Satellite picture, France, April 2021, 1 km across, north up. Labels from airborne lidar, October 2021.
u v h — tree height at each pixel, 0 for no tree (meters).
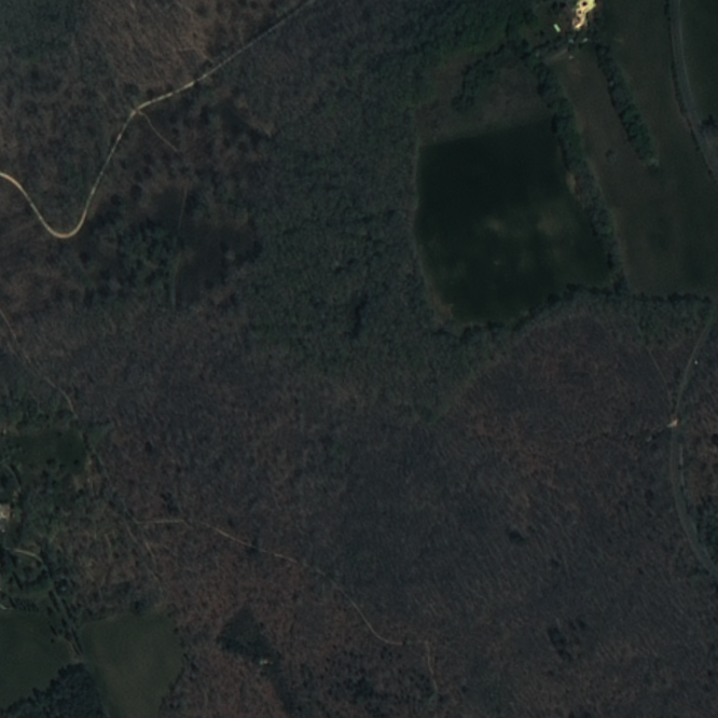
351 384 22
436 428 15
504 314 0
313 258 23
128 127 21
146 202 25
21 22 27
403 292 24
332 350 24
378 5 18
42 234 21
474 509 16
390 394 23
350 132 23
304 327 22
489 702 13
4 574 7
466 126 0
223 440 8
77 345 19
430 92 23
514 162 0
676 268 0
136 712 0
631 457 8
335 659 9
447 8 15
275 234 28
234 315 24
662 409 11
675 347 20
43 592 15
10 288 24
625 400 7
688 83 0
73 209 29
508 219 0
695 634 14
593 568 16
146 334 15
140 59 22
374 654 9
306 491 18
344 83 14
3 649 0
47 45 25
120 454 9
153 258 21
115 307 28
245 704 15
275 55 19
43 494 10
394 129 21
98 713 15
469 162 0
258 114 22
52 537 20
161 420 9
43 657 0
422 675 6
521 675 9
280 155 27
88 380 14
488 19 26
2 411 22
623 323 26
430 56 26
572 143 24
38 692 0
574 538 14
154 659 0
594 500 10
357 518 14
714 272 0
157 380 16
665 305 19
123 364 18
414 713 6
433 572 16
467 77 13
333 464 18
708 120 0
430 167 0
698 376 9
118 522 8
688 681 13
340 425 11
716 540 16
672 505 9
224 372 13
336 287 25
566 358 7
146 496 14
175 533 10
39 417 8
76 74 25
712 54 0
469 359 24
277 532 10
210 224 27
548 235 0
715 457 6
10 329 6
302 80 17
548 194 0
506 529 14
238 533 6
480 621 12
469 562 16
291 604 9
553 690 10
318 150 25
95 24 22
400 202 22
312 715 9
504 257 0
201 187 20
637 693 9
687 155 0
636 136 23
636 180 0
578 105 0
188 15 18
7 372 22
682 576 13
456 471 16
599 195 11
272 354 24
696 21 0
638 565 10
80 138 25
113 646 0
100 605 18
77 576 15
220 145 23
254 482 14
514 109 0
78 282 26
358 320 7
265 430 13
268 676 13
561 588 17
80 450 0
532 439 10
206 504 10
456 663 12
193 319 17
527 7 22
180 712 14
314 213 20
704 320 20
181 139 20
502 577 16
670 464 12
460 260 0
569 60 0
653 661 11
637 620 14
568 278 0
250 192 18
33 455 0
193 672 9
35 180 19
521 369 11
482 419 7
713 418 19
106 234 20
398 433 14
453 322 0
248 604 9
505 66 0
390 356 20
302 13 18
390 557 13
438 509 16
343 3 19
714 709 9
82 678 23
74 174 29
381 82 21
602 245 18
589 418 6
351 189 14
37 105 23
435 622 6
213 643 17
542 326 21
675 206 0
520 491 16
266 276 27
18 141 19
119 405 9
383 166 27
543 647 14
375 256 13
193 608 17
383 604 13
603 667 10
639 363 12
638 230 0
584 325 11
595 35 6
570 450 6
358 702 8
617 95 20
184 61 22
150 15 18
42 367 18
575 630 14
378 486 13
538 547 15
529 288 0
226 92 27
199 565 11
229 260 20
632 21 0
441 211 0
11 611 8
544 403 9
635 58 0
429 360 28
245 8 20
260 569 10
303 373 18
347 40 20
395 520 13
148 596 24
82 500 8
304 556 11
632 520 15
